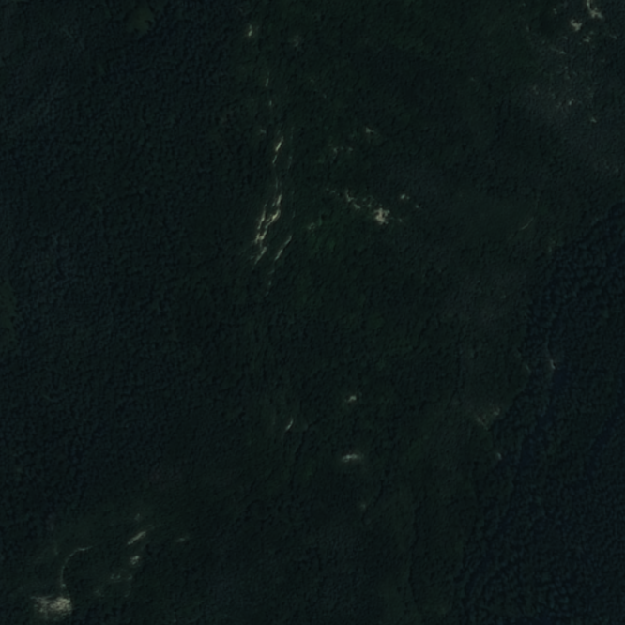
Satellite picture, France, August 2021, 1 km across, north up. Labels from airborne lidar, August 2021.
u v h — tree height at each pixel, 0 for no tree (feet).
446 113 68
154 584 72
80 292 80
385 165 32
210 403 56
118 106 71
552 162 38
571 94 31
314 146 32
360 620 65
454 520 75
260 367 56
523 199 56
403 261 30
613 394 49
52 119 108
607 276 88
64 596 26
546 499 61
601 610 82
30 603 18
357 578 90
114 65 53
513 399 54
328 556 39
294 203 42
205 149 70
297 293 96
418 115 74
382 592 26
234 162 83
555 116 20
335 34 93
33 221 78
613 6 51
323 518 69
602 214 77
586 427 42
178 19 78
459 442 47
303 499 83
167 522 52
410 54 72
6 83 55
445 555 76
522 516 101
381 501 104
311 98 61
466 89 18
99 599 41
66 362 83
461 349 83
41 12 51
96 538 35
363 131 58
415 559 67
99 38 76
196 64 76
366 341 85
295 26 69
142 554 29
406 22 59
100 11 43
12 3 46
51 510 77
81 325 73
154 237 74
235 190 72
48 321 74
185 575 86
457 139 61
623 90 44
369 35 49
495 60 30
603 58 41
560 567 82
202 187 71
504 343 78
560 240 48
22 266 72
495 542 79
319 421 65
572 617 99
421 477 81
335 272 98
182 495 60
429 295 70
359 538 57
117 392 86
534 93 23
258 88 68
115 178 59
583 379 88
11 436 92
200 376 89
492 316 23
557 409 64
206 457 73
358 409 45
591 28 34
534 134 50
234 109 64
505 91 37
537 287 75
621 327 47
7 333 44
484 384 71
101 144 71
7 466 94
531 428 64
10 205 36
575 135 42
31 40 48
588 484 49
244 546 69
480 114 30
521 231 23
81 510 45
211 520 69
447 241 55
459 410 56
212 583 60
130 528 30
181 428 63
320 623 84
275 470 46
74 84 93
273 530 72
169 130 72
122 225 52
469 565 65
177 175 93
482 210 21
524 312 81
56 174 81
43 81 59
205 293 90
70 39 65
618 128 43
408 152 39
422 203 34
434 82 87
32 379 78
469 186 22
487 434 81
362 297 75
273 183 29
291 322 99
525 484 64
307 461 100
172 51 80
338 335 90
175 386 76
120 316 71
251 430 82
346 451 40
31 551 57
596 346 49
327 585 66
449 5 31
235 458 56
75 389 96
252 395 123
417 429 94
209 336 65
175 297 58
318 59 62
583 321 72
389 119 81
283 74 44
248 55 78
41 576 39
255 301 72
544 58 29
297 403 46
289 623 81
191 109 66
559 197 50
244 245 63
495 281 46
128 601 35
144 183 73
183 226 74
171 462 70
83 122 76
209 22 70
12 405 90
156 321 84
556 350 76
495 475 86
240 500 54
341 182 49
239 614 49
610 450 81
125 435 84
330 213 35
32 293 68
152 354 68
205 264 56
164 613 47
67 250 89
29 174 102
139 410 84
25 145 97
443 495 55
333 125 82
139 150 83
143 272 75
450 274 52
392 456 103
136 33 39
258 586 73
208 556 67
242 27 65
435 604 52
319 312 53
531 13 28
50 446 101
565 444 28
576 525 74
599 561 71
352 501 72
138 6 39
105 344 82
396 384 73
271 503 27
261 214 23
